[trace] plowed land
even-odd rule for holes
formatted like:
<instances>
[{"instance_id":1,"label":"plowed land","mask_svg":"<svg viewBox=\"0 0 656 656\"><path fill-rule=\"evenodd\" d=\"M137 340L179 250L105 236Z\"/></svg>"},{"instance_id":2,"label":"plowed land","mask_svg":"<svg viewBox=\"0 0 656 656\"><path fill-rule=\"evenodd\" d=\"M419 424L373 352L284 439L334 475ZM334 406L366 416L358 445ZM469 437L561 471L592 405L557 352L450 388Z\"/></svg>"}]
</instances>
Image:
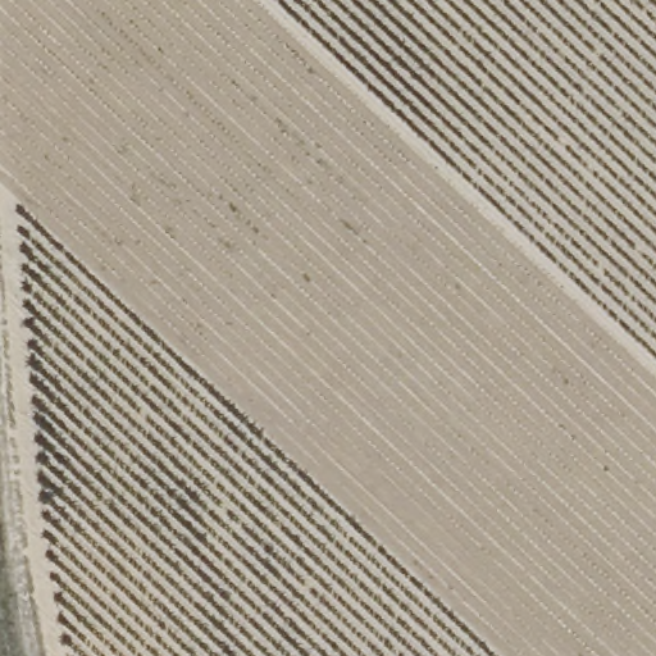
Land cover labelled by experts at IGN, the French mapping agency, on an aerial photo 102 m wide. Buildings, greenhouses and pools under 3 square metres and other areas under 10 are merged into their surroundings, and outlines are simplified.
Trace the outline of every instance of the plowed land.
<instances>
[{"instance_id":1,"label":"plowed land","mask_svg":"<svg viewBox=\"0 0 656 656\"><path fill-rule=\"evenodd\" d=\"M0 195L0 577L13 587L18 597L15 625L23 643L23 656L67 656L67 646L62 643L62 625L56 620L59 605L54 602L56 584L49 579L54 564L46 559L46 520L41 518L41 484L36 479L38 446L31 405L33 384L28 379L31 331L23 325L28 313L23 310L21 267L26 256L21 254L18 233L21 215L15 213L18 200L13 192L5 190Z\"/></svg>"}]
</instances>

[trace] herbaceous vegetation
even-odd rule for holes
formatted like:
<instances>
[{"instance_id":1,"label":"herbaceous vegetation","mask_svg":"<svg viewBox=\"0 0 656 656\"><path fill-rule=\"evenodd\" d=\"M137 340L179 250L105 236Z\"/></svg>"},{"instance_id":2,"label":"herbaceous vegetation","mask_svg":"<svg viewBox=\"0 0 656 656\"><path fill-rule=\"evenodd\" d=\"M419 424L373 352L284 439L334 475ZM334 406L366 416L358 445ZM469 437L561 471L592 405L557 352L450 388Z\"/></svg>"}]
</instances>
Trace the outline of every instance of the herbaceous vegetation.
<instances>
[{"instance_id":1,"label":"herbaceous vegetation","mask_svg":"<svg viewBox=\"0 0 656 656\"><path fill-rule=\"evenodd\" d=\"M23 643L15 625L18 597L13 587L0 577L0 656L23 656Z\"/></svg>"}]
</instances>

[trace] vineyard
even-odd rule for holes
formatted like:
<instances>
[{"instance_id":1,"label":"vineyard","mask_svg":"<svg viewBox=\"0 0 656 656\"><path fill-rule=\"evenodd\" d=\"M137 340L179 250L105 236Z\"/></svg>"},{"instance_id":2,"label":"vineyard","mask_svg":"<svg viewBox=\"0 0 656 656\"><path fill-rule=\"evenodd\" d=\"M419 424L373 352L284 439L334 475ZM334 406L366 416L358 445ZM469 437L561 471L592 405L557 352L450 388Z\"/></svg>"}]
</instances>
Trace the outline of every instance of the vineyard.
<instances>
[{"instance_id":1,"label":"vineyard","mask_svg":"<svg viewBox=\"0 0 656 656\"><path fill-rule=\"evenodd\" d=\"M23 325L31 331L28 379L33 384L31 405L38 446L36 479L41 484L41 518L46 520L46 559L54 564L49 579L56 584L54 602L59 605L56 620L62 625L62 643L67 646L67 656L656 656L656 0L0 0L0 195L5 190L13 192L18 200L15 213L21 215L18 233L21 254L26 256L21 267L23 310L28 313Z\"/></svg>"}]
</instances>

